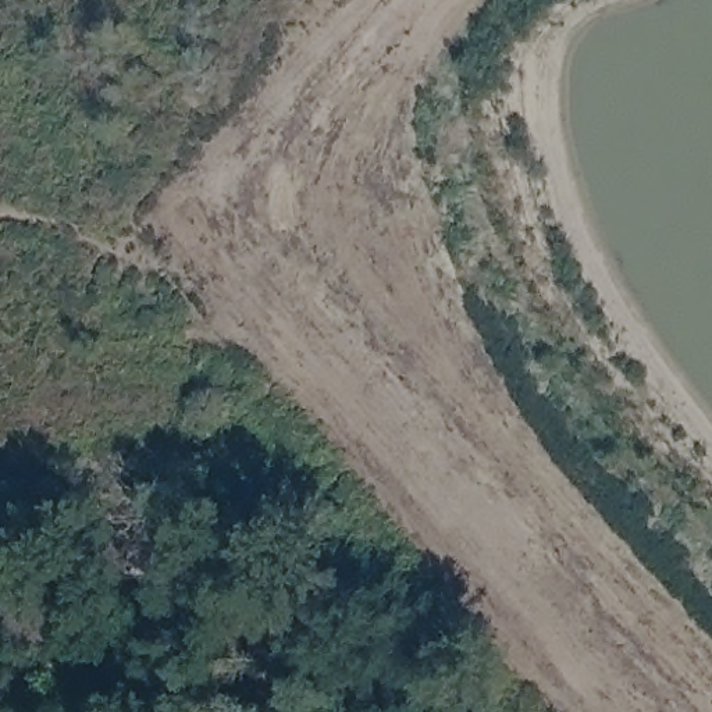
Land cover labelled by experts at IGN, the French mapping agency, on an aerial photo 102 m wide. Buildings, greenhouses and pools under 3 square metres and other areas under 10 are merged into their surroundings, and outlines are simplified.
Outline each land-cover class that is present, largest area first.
<instances>
[{"label":"plowed land","instance_id":"1","mask_svg":"<svg viewBox=\"0 0 712 712\"><path fill-rule=\"evenodd\" d=\"M484 0H314V6L306 14V28H292L281 36L275 50L281 56V64H270L264 86L242 103L239 114L231 117L228 125H223L203 145V156L192 161V170L181 172L161 192L156 209L147 211L153 231L164 236V245L172 253L170 261L172 275H167L172 289H189L203 298L200 306L186 312V339L220 345L236 342L248 348L273 373V378L286 392H292L295 403L306 409L309 420H323L320 428L325 431V437L345 448L342 467L353 470L367 487H373L381 509L392 517V523L403 528L412 545L423 548L420 567L445 590L448 598H462V604L470 612H481L487 623L495 631V648L501 651L506 665L517 670L520 679L534 681L540 693L553 704V712H712V637L687 615L684 604L668 592V587L634 556L629 542L620 540L604 523L598 509L584 501V495L542 451L534 428L520 417L515 401L509 398L503 375L495 373L481 334L464 312L462 289L451 256L442 242L445 223L437 217L431 195L420 181L426 164L414 156L417 134L412 128V120L414 89L426 83V78L431 75L434 64L448 53V45L456 36H464L467 17Z\"/></svg>","mask_w":712,"mask_h":712},{"label":"brushwood","instance_id":"2","mask_svg":"<svg viewBox=\"0 0 712 712\"><path fill-rule=\"evenodd\" d=\"M286 11L284 0H0V203L25 211L56 214L53 225L0 217V492L17 476L31 473L42 487L56 478L67 481L72 501H83L92 495L108 498L111 540L120 559V595H125L139 590L136 576L142 567H147L156 542V534L145 526L150 481L164 484L175 478L189 498H209L217 506L220 517L239 523L259 517V495L278 492L284 470L289 464L312 467L320 490L339 481L337 503L342 506L339 515L345 526V531L337 540L325 542L328 548L317 559L320 573L331 570L334 579L345 584V590H370L384 581L389 567L409 573L406 604L420 601L426 592L431 595L428 612L414 617L409 626L414 631L417 645L439 640L445 634H456L467 626L481 629L487 623L481 612H470L462 604V598H448L445 590L420 567L423 548L412 545L403 528L392 523V517L381 509L373 487H367L353 470L342 467L345 448L325 437V431L320 428L323 420H309L306 409L295 403L292 392H286L273 378V373L248 348L236 342L220 345L186 339V312L200 306L203 298L189 289H172L167 275L136 267L122 270L117 267V256H103L97 248L78 242L75 236L86 231L97 234L106 242H117L120 236L131 234L139 236L145 248H150L159 256V261H170L172 253L164 245V236L153 231L147 211L156 209L161 192L181 172L192 170V161L203 156V145L223 125H228L231 117L239 114L242 103L264 86L270 64H281V56L275 50L281 36L278 22ZM103 22L136 28L139 39L150 47L145 56H125L122 67H128V78L120 86H108L100 95L117 106V117L89 120L78 106V72H83L86 64H95L103 53L95 39H86V33L97 31ZM136 156H150V164L142 170V178H134L128 184V192H81V184L100 164H122L134 161ZM61 314H70L75 323L97 328L100 337L67 339L58 323ZM442 111H451V100L437 95V78L431 75L426 78V83L414 89L412 120V128L417 134L414 156L426 164L437 161L439 120ZM470 186H478L487 217L498 239L503 242L509 259L515 261V267H526L523 242H517L512 223L501 209L503 186L498 184L492 161L487 159V153H473V172L462 181H439V189L431 195L434 206L442 203L448 192H464ZM451 220L445 223L442 242L451 256L459 253L462 242L473 239V234L464 225V209L459 203L448 209ZM464 312L481 334L495 373L503 375L509 398L515 401L520 417L534 428L542 451L584 495V501L598 509L604 523L620 540L629 542L634 556L668 587V592L684 604L687 615L712 637V595L690 570L687 548L676 542L670 531L648 528V495L642 490L634 492L629 487L623 478L609 476L601 464L592 462V456L598 453L595 442L576 439L565 426L562 412L551 409L548 398L537 392L534 375L526 370L528 362H537L534 342L520 339L515 314L498 312L492 303H484L478 298L476 284L467 281V286L462 289Z\"/></svg>","mask_w":712,"mask_h":712},{"label":"deciduous trees","instance_id":"3","mask_svg":"<svg viewBox=\"0 0 712 712\"><path fill-rule=\"evenodd\" d=\"M562 0H484L467 17L464 36H456L448 45V53L459 75L462 114L476 100H481L490 92H509L512 45L528 39L540 17ZM86 39H95L103 53L95 64H86L83 72H78V106L89 120L117 117V106L100 95L108 86H120L128 78V67H122L125 56H145L150 47L139 39L136 28L103 22L97 31L86 33ZM503 147L509 150V159H515L526 170L528 178L545 175V161L534 153L526 120L520 114H509V131L503 134ZM150 164V156H136L134 161L122 164H100L81 184V192H128V184L134 178H142V170ZM551 253L553 284L570 295L573 306L579 309L590 334L595 337L601 339L609 334V323L598 303L595 286L581 278V264L573 256L565 231L559 225H551L542 231ZM58 323L67 339L100 337L97 328L75 323L70 314H61ZM537 362H528L526 370L534 375L537 392L548 398L551 409L562 412L565 426L576 439L595 442L598 453L592 456V462L601 464L609 476L623 478L629 487L637 478H648L656 473L659 484L670 487L676 498L684 501L690 509L701 512V506H712V484L701 478L698 470L687 467L679 453H656L640 437L637 428L642 420V409H637L631 398H623L615 389L609 373L587 356V348L579 345L576 337L565 334L551 345L534 342ZM612 362L629 381H640L645 375V367L637 359H631L629 353H617L612 356ZM145 526L156 534V542L147 567H142L136 576L139 590L125 595H120V559L111 540L108 498L92 495L83 501H72L67 481L56 478L42 487L31 473L17 476L0 492V687L6 690L14 676V668L22 665L42 662V673L28 676V687L36 693H47V687L53 684V668L58 662H117L122 673L114 684V693H92L75 706L53 704L36 706L31 712H553V704L540 693L534 681L520 679L517 670L506 665L501 651L495 648V631L487 623L481 629L467 626L456 634H445L439 640L417 645L414 631L409 626L414 617L428 612L431 595L426 592L420 601L406 604L409 573L389 567L384 581L370 590H345V584L334 579L331 570L320 573L317 559L328 548L325 542L337 540L345 531V526L339 515L342 506L337 503L339 481L320 490L312 467L289 464L284 470L278 492L259 495V517L239 523L220 517L217 506L209 498H189L175 478L164 484L150 481ZM178 606L195 612L189 626L161 631L159 640H136L128 629L142 617H161ZM264 634H270L273 656L284 659L292 676L278 679L273 684L270 701L248 706L231 695H223L217 676L245 673V665L250 659L239 654L236 640L245 637L248 642H259Z\"/></svg>","mask_w":712,"mask_h":712},{"label":"water","instance_id":"4","mask_svg":"<svg viewBox=\"0 0 712 712\"><path fill-rule=\"evenodd\" d=\"M567 159L579 184L584 211L595 228L598 245L604 248L623 286L640 306L642 320L662 342L668 359L684 375V381L698 395L704 409L712 412V0H637L629 3L623 11L592 19L587 31L567 47Z\"/></svg>","mask_w":712,"mask_h":712},{"label":"bare soil","instance_id":"5","mask_svg":"<svg viewBox=\"0 0 712 712\"><path fill-rule=\"evenodd\" d=\"M629 3L637 0H562L540 17L528 39L512 45L509 92H490L481 100V131L503 134L509 131V114H520L526 120L534 153L545 161V175L528 178L526 170L515 159H509L492 161L498 184L503 186L501 209L512 223L517 242H523L526 267V278H531L537 289L553 284L551 253L542 231L551 225H559L565 231L573 256L581 264V278L595 286L598 303L609 323V334L601 339L595 337L587 348V356L609 373L615 389L623 398H631L637 409H642V420L637 428L640 437L656 453H679L687 467L698 470L701 478L712 484V412L704 409L698 395L684 381V375L668 359L662 342L642 320L640 306L623 286L604 248L598 245L595 228L584 211L579 184L567 159V47L587 31L592 19L623 11ZM617 353H629L631 359H637L645 367V375L640 381H629L612 362V356Z\"/></svg>","mask_w":712,"mask_h":712},{"label":"herbaceous vegetation","instance_id":"6","mask_svg":"<svg viewBox=\"0 0 712 712\"><path fill-rule=\"evenodd\" d=\"M314 6V0H284L286 11L278 22L281 36L292 28H306V14ZM431 75L437 78V95L451 100V111H442L439 120L437 161L426 164L420 181L431 195L439 189V181H462L473 172V153H487V159L492 161L509 159V150L503 147V134L481 131V100H476L462 114L459 75L448 53L434 64ZM459 203L464 209V225L473 234V239L462 242L459 253L451 256L462 289L467 286V281L476 284L478 298L484 303H492L498 312L515 314L520 339L534 342L551 345L565 334L576 337L579 345L587 348L595 337L590 334L579 309L573 306L570 295L553 284L537 289L531 278H526V267H515V261L509 259L503 242L498 239L487 217L478 186H470L464 192H448L442 203L434 206L437 217L445 223L451 220L448 209ZM634 492L642 490L648 495V528L670 531L676 542L687 548L690 570L712 595V506H701V512L690 509L684 501L676 498L670 487L659 484L656 473L648 478H637L629 487ZM195 612L178 606L161 617H142L128 629L136 640H159L161 631L189 626ZM239 654L250 659L245 665V673L217 676L223 695H231L248 706L270 701L273 684L278 679L292 676L284 659L273 656L270 634H264L259 642H248L245 637L236 640ZM42 673V662L22 665L14 668V676L6 690L0 687V712H31L36 706L53 704L75 706L92 693H114V684L122 673L117 662H58L53 668V684L47 687V693H36L28 687V676Z\"/></svg>","mask_w":712,"mask_h":712},{"label":"pervious surface","instance_id":"7","mask_svg":"<svg viewBox=\"0 0 712 712\"><path fill-rule=\"evenodd\" d=\"M0 217L53 225L56 214L25 211L0 203ZM78 242L97 248L103 256H117V267L122 270L136 267L167 275H172L170 261H159V256L150 248H145L139 236L131 234L120 236L117 242H106L97 234L86 231L75 236Z\"/></svg>","mask_w":712,"mask_h":712}]
</instances>
